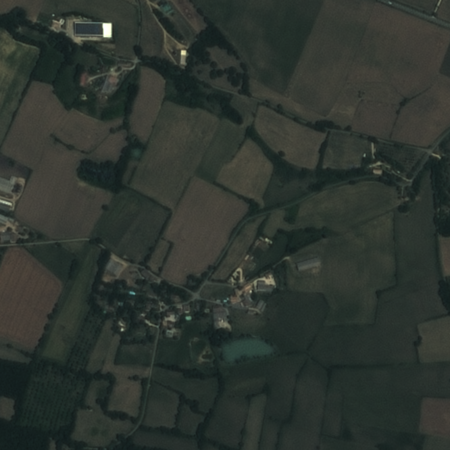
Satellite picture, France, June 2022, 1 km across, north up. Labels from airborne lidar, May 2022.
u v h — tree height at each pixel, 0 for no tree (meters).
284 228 0
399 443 0
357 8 0
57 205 0
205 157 0
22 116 0
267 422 0
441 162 11
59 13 0
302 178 8
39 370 9
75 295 0
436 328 0
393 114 0
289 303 0
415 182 12
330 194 0
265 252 0
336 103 0
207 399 0
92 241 10
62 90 0
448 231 16
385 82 0
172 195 0
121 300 12
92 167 20
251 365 0
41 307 0
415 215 0
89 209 0
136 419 10
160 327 8
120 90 8
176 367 12
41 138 0
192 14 0
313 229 8
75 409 5
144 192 0
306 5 0
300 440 0
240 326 0
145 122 0
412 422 0
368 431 0
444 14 0
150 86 0
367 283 0
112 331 12
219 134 0
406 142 0
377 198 0
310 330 0
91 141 0
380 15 0
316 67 0
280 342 0
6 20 15
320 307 0
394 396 0
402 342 0
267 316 0
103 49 0
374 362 0
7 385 13
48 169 0
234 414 0
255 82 0
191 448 0
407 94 0
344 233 0
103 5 0
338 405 0
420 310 0
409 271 0
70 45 8
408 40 0
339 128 9
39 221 0
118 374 0
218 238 0
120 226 0
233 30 0
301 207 0
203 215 0
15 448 12
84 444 10
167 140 0
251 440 0
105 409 12
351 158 0
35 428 10
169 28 10
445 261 0
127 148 12
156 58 12
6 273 0
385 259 0
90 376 8
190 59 9
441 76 0
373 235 0
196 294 0
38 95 0
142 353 0
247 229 0
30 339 0
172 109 0
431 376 0
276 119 0
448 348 0
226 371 0
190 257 0
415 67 0
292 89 0
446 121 0
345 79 0
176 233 0
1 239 0
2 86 0
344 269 0
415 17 0
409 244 0
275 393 0
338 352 0
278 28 0
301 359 0
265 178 0
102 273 9
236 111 8
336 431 0
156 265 0
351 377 0
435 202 12
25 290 0
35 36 0
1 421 17
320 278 0
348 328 0
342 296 0
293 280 0
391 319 0
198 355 0
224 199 0
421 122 0
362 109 0
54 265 0
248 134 9
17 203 0
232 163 0
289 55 0
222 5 0
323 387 0
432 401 0
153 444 0
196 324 0
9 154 0
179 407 7
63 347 0
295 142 0
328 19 0
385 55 0
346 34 0
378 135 0
